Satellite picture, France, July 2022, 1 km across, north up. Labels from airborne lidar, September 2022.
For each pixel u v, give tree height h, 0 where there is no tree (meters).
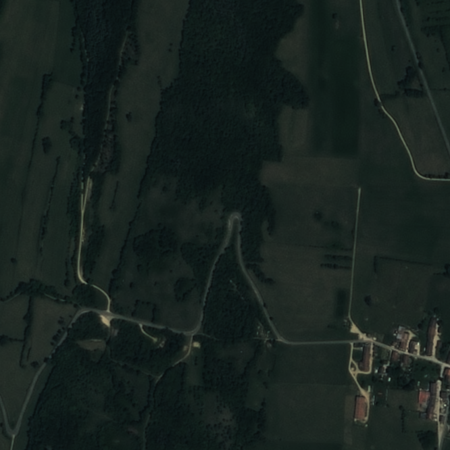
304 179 0
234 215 0
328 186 0
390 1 0
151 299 0
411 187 0
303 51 0
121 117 0
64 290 0
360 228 0
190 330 0
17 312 0
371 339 0
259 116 7
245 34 13
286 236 0
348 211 0
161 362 8
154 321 13
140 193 10
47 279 0
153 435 15
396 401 0
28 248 0
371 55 0
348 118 0
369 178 0
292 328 0
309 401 0
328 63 0
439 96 0
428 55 0
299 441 0
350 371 0
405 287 0
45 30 0
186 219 0
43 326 0
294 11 13
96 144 15
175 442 13
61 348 11
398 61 0
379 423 0
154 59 0
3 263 0
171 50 12
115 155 8
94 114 19
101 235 7
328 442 0
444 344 7
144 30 0
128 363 13
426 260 0
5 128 0
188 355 0
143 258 10
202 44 11
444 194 0
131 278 0
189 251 17
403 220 0
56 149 0
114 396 7
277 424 0
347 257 8
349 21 0
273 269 0
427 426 0
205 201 8
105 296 0
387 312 0
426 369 8
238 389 13
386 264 0
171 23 0
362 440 0
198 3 16
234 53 12
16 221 0
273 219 11
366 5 0
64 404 8
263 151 10
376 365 0
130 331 7
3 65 0
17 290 11
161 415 12
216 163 12
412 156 0
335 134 0
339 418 0
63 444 16
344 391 0
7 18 0
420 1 13
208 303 16
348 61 0
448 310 0
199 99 7
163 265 0
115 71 7
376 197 0
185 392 12
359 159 0
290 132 0
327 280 0
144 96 0
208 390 14
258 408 0
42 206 0
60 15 0
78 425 9
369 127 0
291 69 0
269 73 9
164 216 0
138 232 0
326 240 0
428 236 0
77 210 9
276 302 0
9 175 0
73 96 0
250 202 9
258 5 19
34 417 11
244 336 13
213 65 18
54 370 11
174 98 9
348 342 0
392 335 0
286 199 0
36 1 0
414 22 0
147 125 0
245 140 10
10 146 0
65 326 17
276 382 0
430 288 0
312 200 0
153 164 15
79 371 11
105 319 0
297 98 13
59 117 0
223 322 9
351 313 0
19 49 0
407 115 0
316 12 0
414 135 0
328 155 0
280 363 0
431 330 0
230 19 18
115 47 15
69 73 0
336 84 0
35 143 8
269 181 0
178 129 9
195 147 11
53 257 0
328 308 0
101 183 7
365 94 0
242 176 18
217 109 7
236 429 6
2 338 13
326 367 0
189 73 12
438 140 0
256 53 9
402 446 0
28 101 0
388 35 0
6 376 0
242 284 8
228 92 8
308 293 0
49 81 15
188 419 6
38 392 0
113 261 0
